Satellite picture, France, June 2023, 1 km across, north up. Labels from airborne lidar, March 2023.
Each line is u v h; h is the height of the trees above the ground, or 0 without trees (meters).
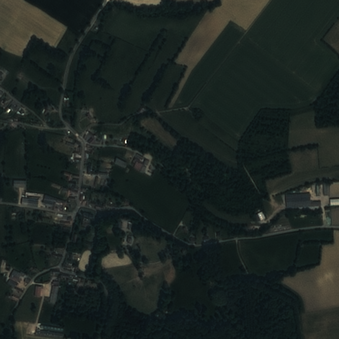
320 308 0
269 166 7
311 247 0
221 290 24
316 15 0
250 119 0
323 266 0
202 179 21
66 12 0
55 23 0
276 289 26
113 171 0
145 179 0
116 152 0
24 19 0
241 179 8
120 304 25
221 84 0
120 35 0
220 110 0
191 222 5
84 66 23
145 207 0
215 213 0
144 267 0
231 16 0
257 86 0
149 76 0
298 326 29
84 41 0
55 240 16
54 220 0
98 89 0
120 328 15
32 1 0
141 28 0
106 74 0
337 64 0
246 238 0
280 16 0
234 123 0
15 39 0
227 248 0
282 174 7
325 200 0
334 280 0
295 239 0
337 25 0
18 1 0
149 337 30
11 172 0
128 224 0
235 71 0
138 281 0
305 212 17
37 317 0
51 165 0
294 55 0
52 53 31
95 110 0
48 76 12
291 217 0
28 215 7
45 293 0
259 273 0
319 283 0
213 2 7
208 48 0
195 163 9
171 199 0
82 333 0
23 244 33
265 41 0
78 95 14
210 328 28
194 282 0
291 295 14
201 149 19
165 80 0
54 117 0
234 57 0
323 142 0
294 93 0
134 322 18
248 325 37
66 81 0
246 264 0
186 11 27
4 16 0
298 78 0
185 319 36
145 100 18
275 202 0
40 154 0
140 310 0
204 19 0
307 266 8
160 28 0
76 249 9
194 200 23
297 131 0
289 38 0
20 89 0
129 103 0
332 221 0
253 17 0
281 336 31
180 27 0
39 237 0
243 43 0
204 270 24
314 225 0
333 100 10
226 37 0
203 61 0
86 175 0
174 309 0
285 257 0
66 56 9
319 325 0
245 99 0
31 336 0
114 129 0
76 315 30
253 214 12
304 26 0
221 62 0
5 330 7
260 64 0
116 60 0
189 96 0
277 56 0
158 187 0
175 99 0
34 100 0
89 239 0
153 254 0
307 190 0
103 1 0
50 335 0
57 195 0
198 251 0
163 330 34
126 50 0
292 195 0
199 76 0
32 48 20
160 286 0
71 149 0
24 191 0
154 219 0
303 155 0
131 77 0
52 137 0
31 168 0
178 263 29
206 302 0
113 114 0
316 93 0
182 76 8
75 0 0
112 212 13
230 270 0
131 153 0
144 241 0
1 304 0
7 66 0
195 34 0
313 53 0
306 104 0
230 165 10
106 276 36
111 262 0
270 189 0
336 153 0
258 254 0
